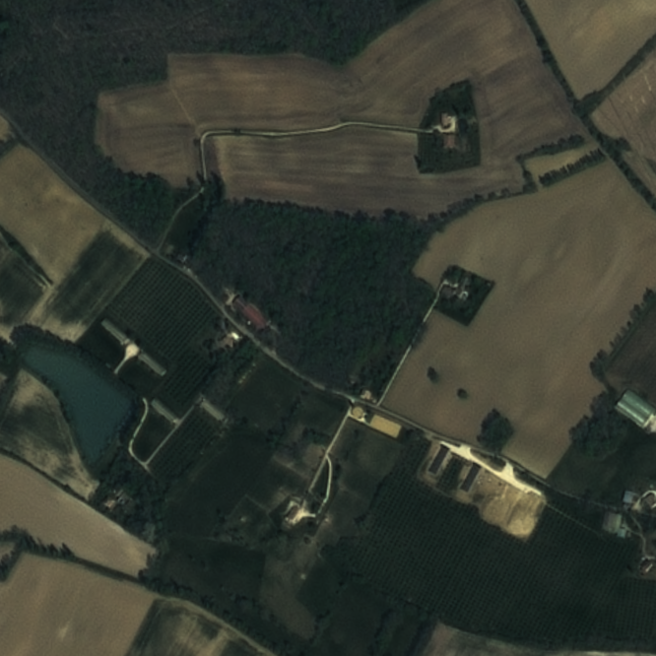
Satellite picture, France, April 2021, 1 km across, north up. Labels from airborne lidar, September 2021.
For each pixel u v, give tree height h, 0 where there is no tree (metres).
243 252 21
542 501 0
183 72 0
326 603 0
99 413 0
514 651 0
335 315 22
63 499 0
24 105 16
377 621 0
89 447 0
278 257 21
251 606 14
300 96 0
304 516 0
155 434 0
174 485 16
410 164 0
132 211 21
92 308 0
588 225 0
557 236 0
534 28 16
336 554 7
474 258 0
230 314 17
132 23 18
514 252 0
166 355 6
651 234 0
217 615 7
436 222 18
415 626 0
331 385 17
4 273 0
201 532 0
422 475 0
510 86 0
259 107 0
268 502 0
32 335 26
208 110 0
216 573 0
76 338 0
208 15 14
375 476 0
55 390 18
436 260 0
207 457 0
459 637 0
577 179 0
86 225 0
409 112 0
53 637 0
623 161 17
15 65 18
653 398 0
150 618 0
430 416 0
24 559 0
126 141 0
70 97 18
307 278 21
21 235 0
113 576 0
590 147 0
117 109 0
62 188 0
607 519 0
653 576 0
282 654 16
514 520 0
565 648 13
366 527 16
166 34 16
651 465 0
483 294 0
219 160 0
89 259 0
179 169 0
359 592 0
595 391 0
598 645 15
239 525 0
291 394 0
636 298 0
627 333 12
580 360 0
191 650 0
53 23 19
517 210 0
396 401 0
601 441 19
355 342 19
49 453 0
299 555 0
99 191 15
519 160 12
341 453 0
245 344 12
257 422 0
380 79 0
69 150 18
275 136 0
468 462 0
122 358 0
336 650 0
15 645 0
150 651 0
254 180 0
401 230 24
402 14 18
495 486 0
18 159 0
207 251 21
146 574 13
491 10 0
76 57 17
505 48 0
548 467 0
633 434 0
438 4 0
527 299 0
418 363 0
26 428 0
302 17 22
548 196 0
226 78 0
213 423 11
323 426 0
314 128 0
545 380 0
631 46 0
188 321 6
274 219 21
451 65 0
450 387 0
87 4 6
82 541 0
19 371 0
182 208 8
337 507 0
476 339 0
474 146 0
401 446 0
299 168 0
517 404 0
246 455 0
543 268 0
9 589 0
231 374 15
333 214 0
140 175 0
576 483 0
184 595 16
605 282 0
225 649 0
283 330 19
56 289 0
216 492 0
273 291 18
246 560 0
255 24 21
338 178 0
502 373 0
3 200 0
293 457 18
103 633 0
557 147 10
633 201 0
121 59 14
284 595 0
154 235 23
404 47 0
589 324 0
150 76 17
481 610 6
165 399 0
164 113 0
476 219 0
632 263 0
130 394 24
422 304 12
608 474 0
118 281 0
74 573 0
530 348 0
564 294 0
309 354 21
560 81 13
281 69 0
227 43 12
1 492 0
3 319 0
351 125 0
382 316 21
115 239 0
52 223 0
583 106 12
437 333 0
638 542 0
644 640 13
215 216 19
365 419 7
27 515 0
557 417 0
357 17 22
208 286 14
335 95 0
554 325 0
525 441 0
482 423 0
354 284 21
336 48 18
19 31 19
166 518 6
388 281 21
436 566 6
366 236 25
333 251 18
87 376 0
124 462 11
